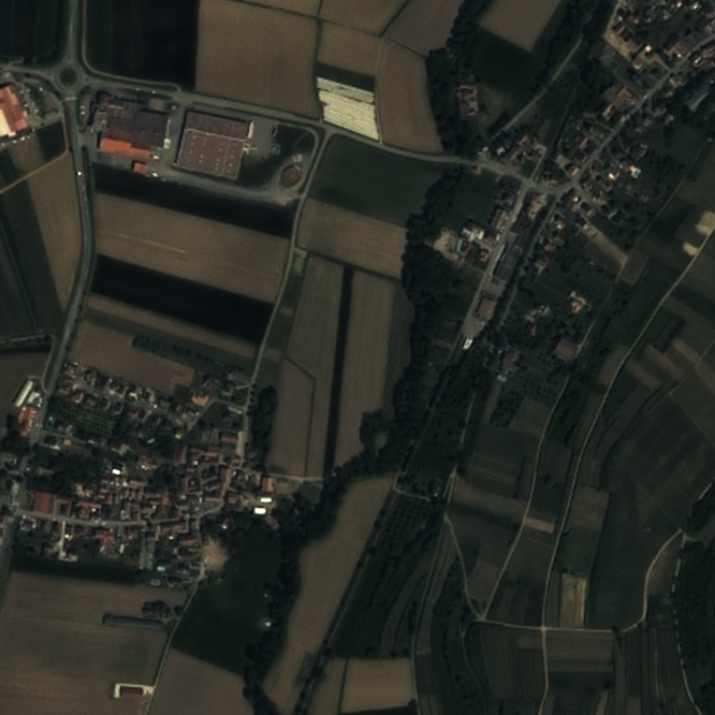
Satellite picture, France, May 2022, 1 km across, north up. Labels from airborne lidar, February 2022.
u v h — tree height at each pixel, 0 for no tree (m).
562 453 0
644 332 0
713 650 7
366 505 0
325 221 0
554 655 0
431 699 0
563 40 13
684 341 0
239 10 0
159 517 0
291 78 0
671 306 0
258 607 0
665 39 0
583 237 0
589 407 0
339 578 0
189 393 0
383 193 0
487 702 0
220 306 0
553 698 0
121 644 0
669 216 0
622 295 0
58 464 14
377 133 0
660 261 0
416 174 0
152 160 0
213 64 0
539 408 0
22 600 0
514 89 0
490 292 0
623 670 0
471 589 0
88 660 0
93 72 0
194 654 0
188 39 0
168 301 0
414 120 0
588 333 0
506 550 0
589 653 0
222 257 0
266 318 0
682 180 0
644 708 0
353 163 0
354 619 0
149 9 0
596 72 10
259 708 12
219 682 0
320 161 0
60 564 0
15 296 0
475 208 0
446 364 0
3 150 0
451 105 0
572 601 0
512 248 0
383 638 0
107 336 0
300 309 0
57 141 0
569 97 0
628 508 0
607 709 0
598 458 0
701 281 0
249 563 0
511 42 0
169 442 7
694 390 0
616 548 0
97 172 0
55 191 0
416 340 15
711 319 0
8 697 0
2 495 0
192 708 0
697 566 7
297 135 0
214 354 0
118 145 0
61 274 0
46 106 0
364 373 0
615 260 0
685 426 0
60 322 0
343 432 0
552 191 0
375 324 0
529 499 0
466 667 0
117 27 0
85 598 0
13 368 0
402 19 0
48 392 0
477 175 0
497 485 0
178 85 0
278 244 0
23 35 0
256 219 0
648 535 0
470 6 18
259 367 0
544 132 0
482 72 0
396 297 0
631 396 0
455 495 0
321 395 0
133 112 0
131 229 0
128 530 0
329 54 0
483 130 0
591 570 0
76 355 0
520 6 0
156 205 0
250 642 0
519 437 0
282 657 0
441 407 8
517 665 0
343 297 0
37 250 0
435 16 0
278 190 0
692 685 0
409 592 0
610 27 0
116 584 0
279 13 0
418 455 0
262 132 0
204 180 0
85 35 0
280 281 0
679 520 0
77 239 0
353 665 0
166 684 0
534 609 0
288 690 0
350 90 0
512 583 0
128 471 0
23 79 0
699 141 0
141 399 0
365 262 0
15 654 0
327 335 0
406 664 0
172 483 11
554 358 6
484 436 0
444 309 0
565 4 0
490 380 12
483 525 0
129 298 0
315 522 30
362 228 0
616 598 0
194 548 0
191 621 0
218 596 0
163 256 0
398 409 15
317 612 0
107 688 0
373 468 19
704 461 0
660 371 0
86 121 0
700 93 0
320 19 0
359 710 0
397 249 0
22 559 0
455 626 0
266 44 0
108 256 0
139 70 0
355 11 0
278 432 0
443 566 0
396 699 0
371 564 0
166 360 0
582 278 0
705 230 0
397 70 0
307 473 0
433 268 23
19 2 0
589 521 0
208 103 0
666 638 0
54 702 0
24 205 0
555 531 0
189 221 0
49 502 0
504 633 0
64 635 0
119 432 9
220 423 0
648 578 0
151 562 0
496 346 13
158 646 0
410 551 12
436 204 19
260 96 0
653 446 0
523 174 0
